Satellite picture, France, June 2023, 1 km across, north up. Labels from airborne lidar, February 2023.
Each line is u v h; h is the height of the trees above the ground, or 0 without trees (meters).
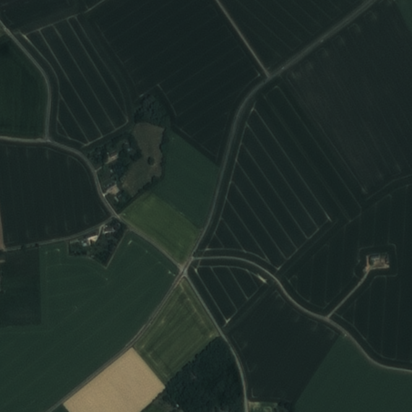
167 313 0
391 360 0
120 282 0
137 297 0
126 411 0
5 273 0
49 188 0
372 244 0
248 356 0
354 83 0
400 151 0
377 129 0
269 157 0
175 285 0
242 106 0
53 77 0
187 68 0
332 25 0
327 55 0
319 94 0
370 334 0
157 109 23
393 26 0
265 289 0
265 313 0
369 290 0
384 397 0
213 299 0
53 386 0
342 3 0
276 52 0
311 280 0
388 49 0
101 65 0
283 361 0
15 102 0
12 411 0
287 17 0
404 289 0
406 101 0
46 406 0
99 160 17
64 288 0
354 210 0
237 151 0
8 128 0
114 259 0
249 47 0
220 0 0
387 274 0
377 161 0
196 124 0
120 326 0
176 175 0
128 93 0
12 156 0
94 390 0
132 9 0
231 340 0
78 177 0
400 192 0
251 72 0
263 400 0
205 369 20
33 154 0
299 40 0
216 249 0
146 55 0
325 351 0
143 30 0
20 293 0
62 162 0
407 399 0
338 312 0
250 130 0
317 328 0
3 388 0
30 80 0
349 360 0
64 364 0
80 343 0
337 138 0
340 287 0
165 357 0
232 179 0
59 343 0
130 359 0
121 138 10
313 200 0
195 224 0
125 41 0
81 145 0
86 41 0
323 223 0
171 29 0
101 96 0
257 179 0
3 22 0
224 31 0
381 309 0
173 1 0
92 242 11
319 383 0
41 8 0
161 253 0
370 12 0
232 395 21
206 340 0
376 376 0
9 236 0
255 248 0
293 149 0
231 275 0
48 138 0
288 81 0
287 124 0
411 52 0
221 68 0
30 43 0
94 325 0
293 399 0
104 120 0
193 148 0
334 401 0
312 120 0
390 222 0
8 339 0
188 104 0
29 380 0
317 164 0
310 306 0
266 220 0
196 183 0
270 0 0
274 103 0
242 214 0
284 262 0
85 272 0
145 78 0
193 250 0
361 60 0
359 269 0
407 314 0
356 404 0
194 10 0
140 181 0
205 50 0
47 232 0
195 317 0
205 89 0
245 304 0
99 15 0
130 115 0
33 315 0
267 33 0
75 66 0
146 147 0
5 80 0
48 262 0
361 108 0
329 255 0
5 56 0
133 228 0
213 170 0
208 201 0
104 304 0
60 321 0
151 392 0
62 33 0
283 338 0
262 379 0
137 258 0
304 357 0
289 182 0
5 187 0
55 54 0
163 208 0
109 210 0
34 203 0
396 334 0
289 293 0
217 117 0
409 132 0
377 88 0
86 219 0
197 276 0
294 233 0
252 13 0
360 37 0
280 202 0
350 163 0
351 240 0
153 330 0
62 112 0
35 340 0
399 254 0
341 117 0
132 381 0
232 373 8
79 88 0
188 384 18
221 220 0
